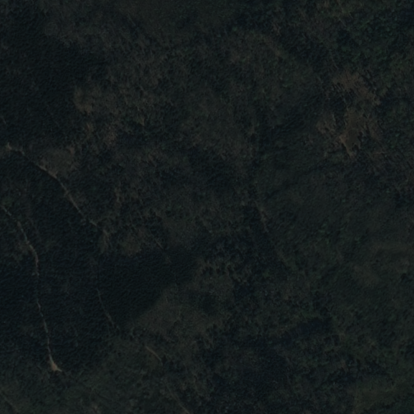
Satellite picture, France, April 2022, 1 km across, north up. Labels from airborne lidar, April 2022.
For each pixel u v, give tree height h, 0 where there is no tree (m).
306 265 26
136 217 15
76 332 22
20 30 24
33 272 18
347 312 28
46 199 17
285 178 14
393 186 25
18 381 18
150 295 20
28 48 23
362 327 31
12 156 19
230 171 33
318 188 19
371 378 26
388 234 19
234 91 25
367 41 36
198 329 12
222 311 11
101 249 19
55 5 19
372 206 16
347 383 24
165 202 29
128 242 16
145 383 19
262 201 23
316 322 6
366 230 18
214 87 24
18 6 15
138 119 29
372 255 12
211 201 24
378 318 24
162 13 22
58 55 25
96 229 13
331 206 19
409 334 21
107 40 18
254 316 25
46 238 18
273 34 21
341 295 26
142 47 8
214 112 23
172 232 14
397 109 34
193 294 18
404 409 12
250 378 25
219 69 26
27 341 24
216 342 22
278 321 31
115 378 14
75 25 23
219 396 24
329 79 27
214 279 17
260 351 25
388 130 34
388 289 18
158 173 30
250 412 25
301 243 24
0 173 22
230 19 18
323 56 33
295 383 23
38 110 26
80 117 18
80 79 21
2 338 9
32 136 24
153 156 28
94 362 23
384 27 36
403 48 26
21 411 6
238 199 28
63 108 22
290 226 25
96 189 22
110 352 15
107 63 25
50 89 25
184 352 14
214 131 25
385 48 33
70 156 8
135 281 19
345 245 22
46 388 23
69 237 20
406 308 23
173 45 18
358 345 19
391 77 33
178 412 9
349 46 36
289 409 30
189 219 17
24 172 23
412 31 30
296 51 26
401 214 19
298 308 27
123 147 33
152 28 18
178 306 14
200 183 28
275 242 24
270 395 21
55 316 16
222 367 26
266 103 27
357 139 0
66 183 23
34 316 20
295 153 15
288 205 20
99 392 7
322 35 38
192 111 25
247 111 28
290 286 20
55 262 19
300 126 26
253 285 37
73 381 14
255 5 16
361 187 22
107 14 22
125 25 18
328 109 21
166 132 37
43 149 15
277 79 29
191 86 29
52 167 13
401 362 25
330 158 16
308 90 19
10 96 24
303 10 26
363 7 36
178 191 26
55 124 26
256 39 20
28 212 21
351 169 27
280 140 28
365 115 0
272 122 28
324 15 30
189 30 20
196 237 21
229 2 17
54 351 21
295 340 26
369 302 23
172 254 18
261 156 28
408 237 20
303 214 21
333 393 22
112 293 21
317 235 25
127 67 19
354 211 18
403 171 32
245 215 23
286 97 20
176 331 13
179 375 18
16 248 22
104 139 26
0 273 12
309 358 27
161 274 22
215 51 24
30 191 20
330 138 22
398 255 6
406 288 21
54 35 19
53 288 15
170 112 40
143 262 20
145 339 16
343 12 29
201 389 9
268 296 17
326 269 26
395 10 31
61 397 22
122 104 27
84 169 20
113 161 21
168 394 12
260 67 24
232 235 12
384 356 29
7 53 20
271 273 28
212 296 12
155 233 21
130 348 7
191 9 23
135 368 7
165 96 23
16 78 24
